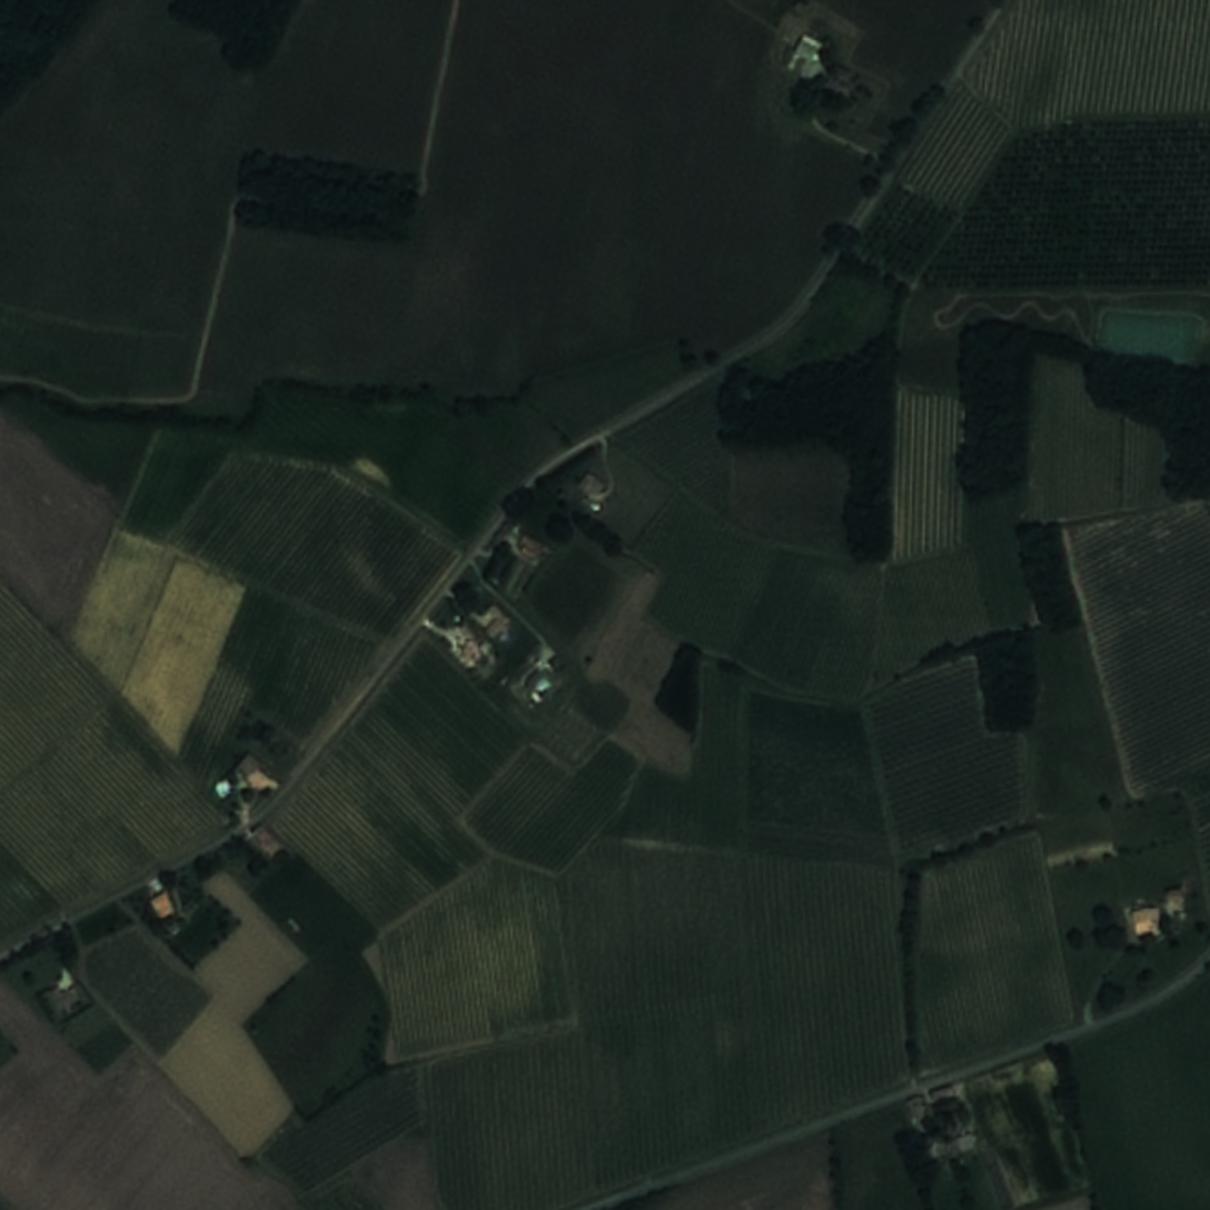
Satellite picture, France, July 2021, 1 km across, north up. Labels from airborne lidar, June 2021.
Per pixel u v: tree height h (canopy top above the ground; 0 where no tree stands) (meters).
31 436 0
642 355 0
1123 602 0
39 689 0
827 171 0
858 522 10
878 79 0
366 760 0
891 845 0
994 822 0
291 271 0
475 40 0
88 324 0
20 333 0
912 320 0
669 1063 0
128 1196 0
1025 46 0
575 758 0
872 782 0
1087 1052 0
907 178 0
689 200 0
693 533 0
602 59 0
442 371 0
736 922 0
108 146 0
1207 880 0
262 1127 0
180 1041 0
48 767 0
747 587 0
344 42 0
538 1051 0
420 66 0
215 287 0
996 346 20
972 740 0
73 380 0
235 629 0
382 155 0
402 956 0
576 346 0
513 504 15
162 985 0
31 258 0
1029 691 10
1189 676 0
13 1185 0
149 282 0
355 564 0
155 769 0
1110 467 0
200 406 0
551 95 0
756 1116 0
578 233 0
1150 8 0
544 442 0
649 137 0
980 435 12
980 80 0
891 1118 0
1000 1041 0
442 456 0
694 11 0
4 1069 0
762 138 0
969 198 0
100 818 0
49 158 0
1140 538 0
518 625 0
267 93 0
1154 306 0
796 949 0
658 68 0
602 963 0
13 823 0
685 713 10
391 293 0
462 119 0
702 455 0
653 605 0
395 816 0
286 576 0
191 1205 0
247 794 9
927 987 0
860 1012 0
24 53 21
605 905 0
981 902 0
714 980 0
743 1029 0
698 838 0
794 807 0
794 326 0
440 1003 0
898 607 0
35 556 0
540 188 0
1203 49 0
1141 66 0
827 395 19
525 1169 0
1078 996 0
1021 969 0
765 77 0
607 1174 0
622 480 0
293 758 0
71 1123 0
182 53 0
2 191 0
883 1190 0
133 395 0
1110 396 11
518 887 0
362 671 0
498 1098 0
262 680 0
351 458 0
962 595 0
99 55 0
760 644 0
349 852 0
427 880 0
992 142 0
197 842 0
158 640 0
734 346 0
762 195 0
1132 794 0
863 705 0
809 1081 0
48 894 0
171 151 0
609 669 0
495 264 0
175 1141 0
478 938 0
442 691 0
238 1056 0
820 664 0
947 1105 11
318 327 0
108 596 0
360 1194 0
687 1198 0
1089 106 0
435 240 0
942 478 0
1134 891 0
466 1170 0
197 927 0
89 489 0
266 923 0
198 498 0
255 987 0
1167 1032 0
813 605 0
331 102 0
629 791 0
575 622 0
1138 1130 0
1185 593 0
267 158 8
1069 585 11
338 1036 0
